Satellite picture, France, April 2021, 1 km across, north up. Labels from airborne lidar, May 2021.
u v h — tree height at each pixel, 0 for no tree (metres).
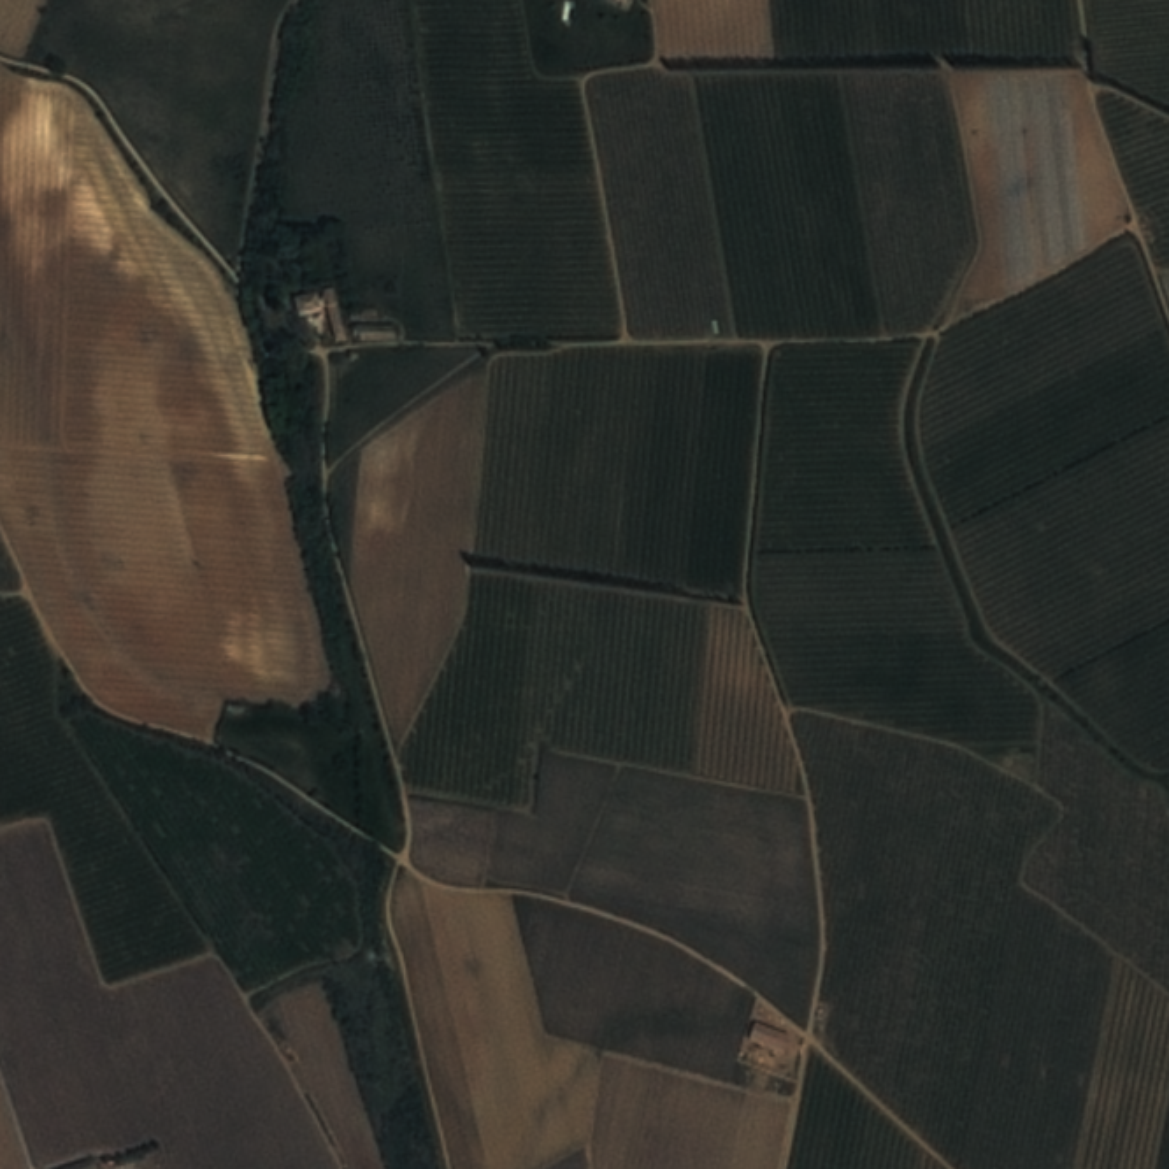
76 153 0
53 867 0
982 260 0
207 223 0
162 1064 0
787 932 0
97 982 0
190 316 0
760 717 0
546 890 0
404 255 0
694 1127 0
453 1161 0
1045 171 0
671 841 0
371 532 0
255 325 16
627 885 0
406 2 0
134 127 0
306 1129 0
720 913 0
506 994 0
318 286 8
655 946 0
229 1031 0
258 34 0
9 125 0
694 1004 0
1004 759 0
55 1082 0
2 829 0
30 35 0
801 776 0
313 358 6
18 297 0
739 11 0
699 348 0
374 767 0
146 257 0
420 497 0
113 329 0
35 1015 0
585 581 18
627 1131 0
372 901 7
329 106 0
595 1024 0
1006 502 6
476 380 0
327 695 7
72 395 0
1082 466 7
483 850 0
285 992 0
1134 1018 0
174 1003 0
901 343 7
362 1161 0
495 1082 0
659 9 0
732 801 0
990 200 0
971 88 0
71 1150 0
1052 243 0
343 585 7
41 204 0
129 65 0
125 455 0
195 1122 0
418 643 0
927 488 0
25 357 0
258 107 0
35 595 0
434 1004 0
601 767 0
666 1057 0
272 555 0
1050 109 0
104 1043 0
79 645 0
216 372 0
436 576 0
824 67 19
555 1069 0
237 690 0
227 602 0
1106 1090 0
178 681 0
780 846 0
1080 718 6
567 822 0
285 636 0
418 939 0
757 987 0
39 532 0
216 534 0
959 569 0
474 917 0
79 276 0
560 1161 0
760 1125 0
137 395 0
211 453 0
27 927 0
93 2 0
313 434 13
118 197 0
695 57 0
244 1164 0
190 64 0
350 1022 6
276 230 16
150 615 0
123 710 0
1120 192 0
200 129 0
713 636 0
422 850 0
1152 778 0
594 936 0
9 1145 0
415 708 0
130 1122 0
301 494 10
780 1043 0
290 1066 0
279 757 0
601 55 0
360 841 5
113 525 0
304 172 0
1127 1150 0
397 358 0
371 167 0
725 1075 0
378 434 0
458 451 0
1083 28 0
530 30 0
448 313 0
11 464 0
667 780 0
